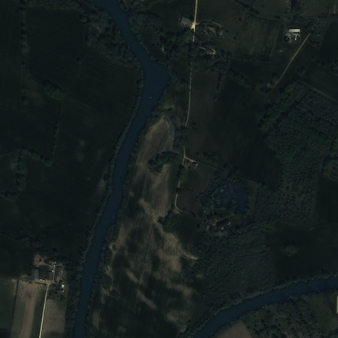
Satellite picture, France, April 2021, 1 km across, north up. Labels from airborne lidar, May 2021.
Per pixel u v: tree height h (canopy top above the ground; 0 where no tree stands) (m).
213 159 15
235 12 0
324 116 11
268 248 11
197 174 0
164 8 0
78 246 0
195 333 13
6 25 0
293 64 0
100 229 0
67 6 27
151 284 0
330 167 24
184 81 15
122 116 0
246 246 6
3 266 0
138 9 18
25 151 15
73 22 0
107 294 0
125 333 0
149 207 0
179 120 0
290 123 24
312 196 8
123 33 0
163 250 0
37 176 0
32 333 0
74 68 0
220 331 17
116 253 0
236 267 6
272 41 0
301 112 21
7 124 0
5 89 0
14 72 0
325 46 0
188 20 0
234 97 0
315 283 0
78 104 0
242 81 18
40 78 0
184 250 0
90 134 0
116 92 0
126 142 0
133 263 0
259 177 0
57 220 0
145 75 0
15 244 0
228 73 13
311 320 21
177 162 0
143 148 0
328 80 0
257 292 24
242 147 0
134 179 0
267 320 0
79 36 0
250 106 0
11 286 0
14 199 11
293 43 0
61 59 0
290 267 0
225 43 0
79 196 0
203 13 0
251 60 0
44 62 0
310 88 0
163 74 0
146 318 0
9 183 0
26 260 0
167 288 0
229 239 13
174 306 0
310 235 0
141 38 15
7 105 0
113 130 0
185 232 0
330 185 0
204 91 0
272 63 0
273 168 0
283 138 24
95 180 0
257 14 14
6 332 0
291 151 23
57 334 0
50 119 0
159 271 0
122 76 0
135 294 0
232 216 0
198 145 0
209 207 19
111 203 0
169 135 0
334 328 0
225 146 0
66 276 9
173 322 0
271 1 0
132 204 0
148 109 0
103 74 0
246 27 0
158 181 0
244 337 0
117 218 8
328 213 0
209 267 15
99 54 0
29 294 0
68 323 15
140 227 0
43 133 0
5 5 0
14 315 0
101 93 0
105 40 19
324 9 0
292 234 0
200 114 0
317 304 0
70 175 0
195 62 11
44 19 0
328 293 29
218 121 0
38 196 0
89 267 0
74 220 0
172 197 0
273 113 21
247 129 0
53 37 0
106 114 0
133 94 0
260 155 0
